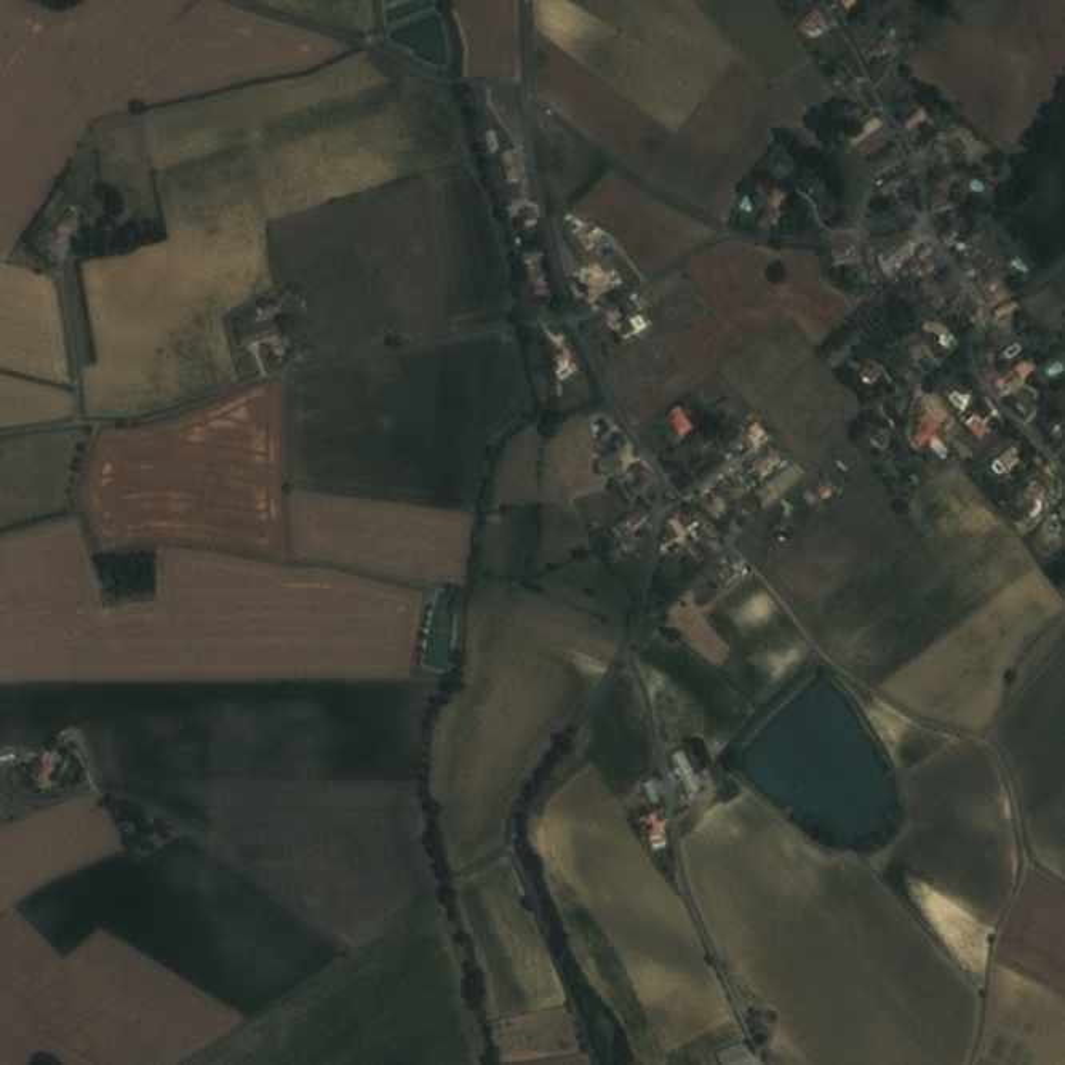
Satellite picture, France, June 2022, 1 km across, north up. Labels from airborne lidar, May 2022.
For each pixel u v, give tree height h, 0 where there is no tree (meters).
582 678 0
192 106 0
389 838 0
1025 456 13
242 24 0
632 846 0
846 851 0
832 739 0
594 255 0
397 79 0
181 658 0
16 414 0
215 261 0
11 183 0
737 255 0
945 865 0
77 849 0
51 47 0
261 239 0
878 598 0
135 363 0
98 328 0
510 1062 0
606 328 0
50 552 0
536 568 11
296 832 0
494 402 0
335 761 0
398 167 0
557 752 13
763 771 0
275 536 0
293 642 0
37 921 0
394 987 0
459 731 0
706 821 0
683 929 0
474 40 0
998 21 0
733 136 0
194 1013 0
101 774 0
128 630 0
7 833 0
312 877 0
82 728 0
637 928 0
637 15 0
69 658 0
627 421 0
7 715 0
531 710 0
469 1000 22
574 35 0
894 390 13
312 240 0
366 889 0
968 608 0
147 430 0
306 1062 0
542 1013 0
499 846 0
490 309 0
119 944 0
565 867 0
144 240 11
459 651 13
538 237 7
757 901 0
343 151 0
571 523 0
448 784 0
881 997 0
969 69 0
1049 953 0
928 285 0
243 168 0
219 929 0
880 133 0
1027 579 0
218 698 0
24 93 0
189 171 0
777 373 0
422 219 0
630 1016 0
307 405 0
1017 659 0
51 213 0
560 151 0
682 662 0
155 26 0
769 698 0
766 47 0
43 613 0
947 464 0
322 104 0
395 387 0
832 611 0
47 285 0
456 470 0
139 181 0
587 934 0
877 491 0
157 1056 0
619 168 0
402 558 0
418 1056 0
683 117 0
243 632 0
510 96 0
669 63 0
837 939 0
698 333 0
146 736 0
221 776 0
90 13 0
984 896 0
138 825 17
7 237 0
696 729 0
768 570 0
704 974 0
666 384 0
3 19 0
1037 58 0
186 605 0
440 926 0
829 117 13
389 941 0
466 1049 0
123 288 0
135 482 0
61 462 0
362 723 0
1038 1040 0
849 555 0
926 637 0
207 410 0
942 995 0
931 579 0
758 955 0
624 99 0
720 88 0
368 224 0
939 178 8
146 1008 0
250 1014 0
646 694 0
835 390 0
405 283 0
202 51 0
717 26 0
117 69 0
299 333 0
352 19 0
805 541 0
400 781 0
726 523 7
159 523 0
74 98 0
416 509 0
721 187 0
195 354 0
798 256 0
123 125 0
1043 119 14
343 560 0
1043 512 0
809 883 0
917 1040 0
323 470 0
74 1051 0
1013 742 0
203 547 0
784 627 0
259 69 0
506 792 0
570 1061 0
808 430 0
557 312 10
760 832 0
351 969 0
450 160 0
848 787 0
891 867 0
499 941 0
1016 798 0
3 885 0
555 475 0
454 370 0
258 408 0
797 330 0
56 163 0
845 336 11
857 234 0
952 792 0
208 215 0
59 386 0
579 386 0
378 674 0
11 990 0
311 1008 0
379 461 0
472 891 0
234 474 0
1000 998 0
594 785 0
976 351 9
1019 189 21
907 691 0
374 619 0
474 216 0
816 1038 0
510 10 0
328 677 0
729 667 0
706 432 13
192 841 0
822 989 0
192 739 0
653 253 0
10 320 0
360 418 0
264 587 0
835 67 6
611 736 0
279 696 0
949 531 0
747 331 0
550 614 0
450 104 0
